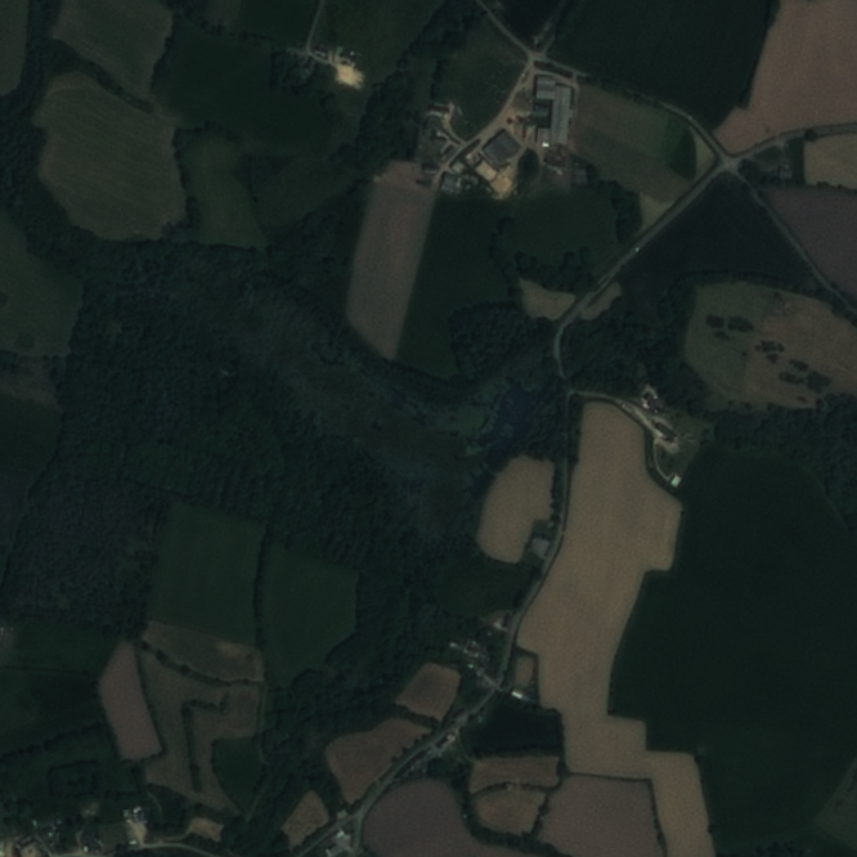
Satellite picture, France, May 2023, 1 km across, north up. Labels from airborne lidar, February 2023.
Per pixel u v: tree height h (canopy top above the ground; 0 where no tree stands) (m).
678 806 0
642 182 0
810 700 0
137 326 13
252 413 14
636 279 0
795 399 0
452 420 0
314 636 0
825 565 0
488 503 0
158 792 9
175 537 0
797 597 0
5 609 11
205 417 24
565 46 0
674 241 0
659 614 0
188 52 0
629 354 11
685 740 0
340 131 0
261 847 8
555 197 0
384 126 9
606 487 0
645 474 0
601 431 0
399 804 0
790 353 0
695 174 0
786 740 0
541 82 0
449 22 17
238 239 0
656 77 0
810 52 0
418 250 0
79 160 0
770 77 0
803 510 0
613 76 0
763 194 6
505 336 31
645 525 0
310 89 10
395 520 14
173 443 23
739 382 0
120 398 11
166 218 0
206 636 0
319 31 0
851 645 0
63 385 12
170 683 0
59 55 13
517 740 0
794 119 0
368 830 0
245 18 0
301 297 33
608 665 0
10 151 17
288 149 0
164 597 0
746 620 0
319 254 11
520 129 0
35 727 0
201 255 20
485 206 0
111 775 0
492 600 0
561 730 9
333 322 34
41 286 0
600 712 0
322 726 13
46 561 12
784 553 0
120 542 10
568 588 0
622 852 0
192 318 17
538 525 0
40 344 0
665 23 0
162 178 0
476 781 0
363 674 12
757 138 0
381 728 0
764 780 0
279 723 15
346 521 13
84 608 10
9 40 0
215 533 0
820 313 0
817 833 0
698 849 0
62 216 14
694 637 0
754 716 0
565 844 0
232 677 0
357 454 12
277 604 0
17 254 0
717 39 0
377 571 19
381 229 0
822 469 7
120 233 0
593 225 0
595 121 0
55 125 0
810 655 0
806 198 0
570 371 9
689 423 0
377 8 0
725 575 0
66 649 0
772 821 0
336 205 0
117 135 0
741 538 0
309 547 18
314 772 7
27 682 0
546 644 0
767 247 0
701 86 0
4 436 0
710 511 0
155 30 0
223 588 0
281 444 15
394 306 0
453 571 0
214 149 0
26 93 24
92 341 16
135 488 17
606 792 0
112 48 0
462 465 0
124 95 9
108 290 18
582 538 0
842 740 0
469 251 0
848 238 0
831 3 0
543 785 0
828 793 0
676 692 0
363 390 0
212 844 6
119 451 13
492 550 0
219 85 0
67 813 0
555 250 0
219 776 6
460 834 0
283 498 17
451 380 0
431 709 0
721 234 0
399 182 0
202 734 0
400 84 17
